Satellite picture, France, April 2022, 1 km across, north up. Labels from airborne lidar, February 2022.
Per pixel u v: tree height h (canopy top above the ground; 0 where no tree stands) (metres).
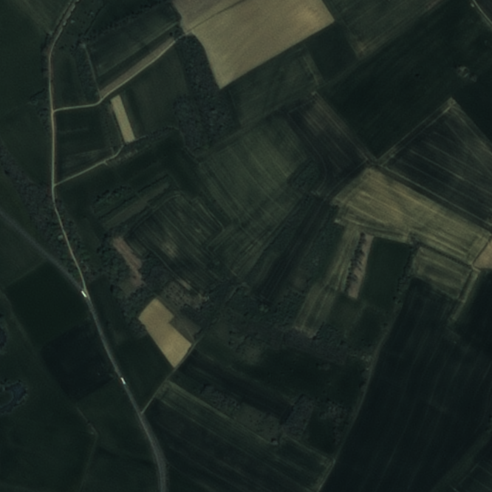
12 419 0
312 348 9
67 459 0
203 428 0
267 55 0
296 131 0
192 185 0
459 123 0
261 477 0
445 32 0
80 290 0
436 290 0
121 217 0
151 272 6
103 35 12
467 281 0
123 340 0
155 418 0
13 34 0
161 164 0
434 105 0
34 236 0
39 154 0
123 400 0
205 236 0
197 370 0
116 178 0
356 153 0
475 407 0
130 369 0
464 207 0
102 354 0
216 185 0
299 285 0
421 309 0
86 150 0
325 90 0
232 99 0
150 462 0
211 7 0
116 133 0
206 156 0
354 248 0
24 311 0
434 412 0
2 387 14
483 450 0
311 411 16
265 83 0
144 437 0
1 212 0
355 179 0
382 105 0
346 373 0
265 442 0
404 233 0
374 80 0
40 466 0
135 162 0
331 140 0
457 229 0
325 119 0
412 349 0
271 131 0
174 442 0
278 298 0
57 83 0
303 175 6
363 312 0
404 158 0
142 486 0
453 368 0
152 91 0
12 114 0
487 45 0
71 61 0
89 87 11
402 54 0
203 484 0
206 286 0
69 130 0
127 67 0
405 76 0
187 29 0
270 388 0
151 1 0
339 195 0
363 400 0
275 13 0
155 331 0
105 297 0
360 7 0
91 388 0
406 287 13
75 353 0
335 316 0
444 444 0
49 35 8
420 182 0
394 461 0
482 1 0
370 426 0
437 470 0
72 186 0
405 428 0
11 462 0
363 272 13
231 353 0
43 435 0
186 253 0
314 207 0
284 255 0
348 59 0
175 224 0
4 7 0
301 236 0
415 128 0
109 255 16
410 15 0
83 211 0
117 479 0
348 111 0
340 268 0
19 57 0
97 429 0
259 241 0
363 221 0
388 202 0
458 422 0
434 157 0
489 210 0
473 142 0
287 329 15
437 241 0
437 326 0
